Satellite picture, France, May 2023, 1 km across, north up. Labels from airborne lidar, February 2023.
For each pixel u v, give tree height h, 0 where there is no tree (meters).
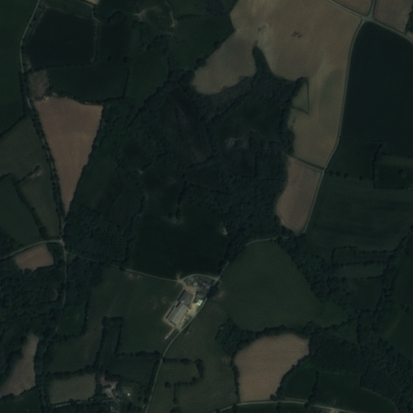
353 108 0
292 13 0
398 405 14
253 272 0
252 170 0
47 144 7
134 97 0
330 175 9
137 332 0
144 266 0
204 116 12
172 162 10
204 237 0
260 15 0
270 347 0
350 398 0
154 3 0
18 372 0
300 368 10
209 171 0
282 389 12
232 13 0
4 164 0
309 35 0
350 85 0
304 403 0
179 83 19
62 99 0
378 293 0
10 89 0
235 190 15
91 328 0
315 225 0
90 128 0
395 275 10
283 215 0
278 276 0
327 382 0
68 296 10
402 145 0
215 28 0
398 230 0
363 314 17
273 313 0
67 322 0
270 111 0
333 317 0
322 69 0
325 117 0
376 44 0
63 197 0
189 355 0
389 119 0
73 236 14
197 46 0
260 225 10
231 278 0
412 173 0
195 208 0
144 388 9
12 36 0
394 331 0
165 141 12
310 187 0
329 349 18
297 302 0
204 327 0
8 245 13
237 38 0
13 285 8
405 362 15
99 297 0
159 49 9
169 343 0
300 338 7
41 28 0
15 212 0
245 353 0
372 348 9
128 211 0
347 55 0
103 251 9
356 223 0
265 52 0
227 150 0
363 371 15
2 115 0
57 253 14
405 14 0
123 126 9
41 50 0
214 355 0
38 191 0
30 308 15
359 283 0
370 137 0
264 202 12
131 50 0
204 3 0
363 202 0
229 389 0
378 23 0
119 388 10
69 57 0
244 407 0
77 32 0
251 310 0
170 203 0
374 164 13
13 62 0
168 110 0
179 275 0
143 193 9
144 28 12
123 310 0
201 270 0
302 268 18
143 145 7
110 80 0
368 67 0
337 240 0
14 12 0
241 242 22
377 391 16
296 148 0
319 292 14
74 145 0
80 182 8
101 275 12
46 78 10
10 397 12
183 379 0
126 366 0
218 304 0
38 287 10
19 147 0
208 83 0
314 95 0
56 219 0
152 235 0
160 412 0
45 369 10
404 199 0
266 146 14
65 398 0
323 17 0
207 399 0
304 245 18
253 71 0
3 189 0
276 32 0
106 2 0
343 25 0
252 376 0
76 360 0
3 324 9
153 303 0
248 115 0
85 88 0
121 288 0
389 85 0
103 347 9
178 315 0
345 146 0
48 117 0
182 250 0
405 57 0
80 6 0
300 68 0
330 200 0
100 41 0
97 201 0
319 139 0
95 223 11
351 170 0
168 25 0
